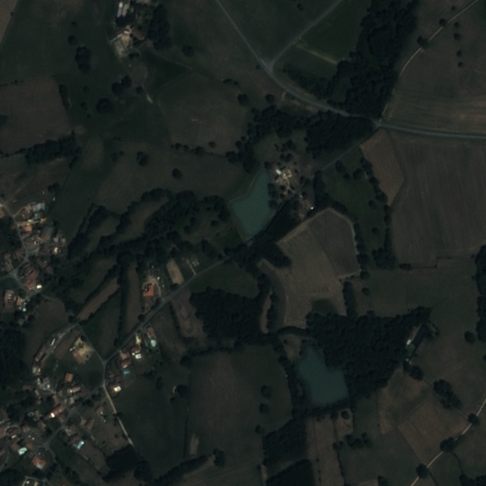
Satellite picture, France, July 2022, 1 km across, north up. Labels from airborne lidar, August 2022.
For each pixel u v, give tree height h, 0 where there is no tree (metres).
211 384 0
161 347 5
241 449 0
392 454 0
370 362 25
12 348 36
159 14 17
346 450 0
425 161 0
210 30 0
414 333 0
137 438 0
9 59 0
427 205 0
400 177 0
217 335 14
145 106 0
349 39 0
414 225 0
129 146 0
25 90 0
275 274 0
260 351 0
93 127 0
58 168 0
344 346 23
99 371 0
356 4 0
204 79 0
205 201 10
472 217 0
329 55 0
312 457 0
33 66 0
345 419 15
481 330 22
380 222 0
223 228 0
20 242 8
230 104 0
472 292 0
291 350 0
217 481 0
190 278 0
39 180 0
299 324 0
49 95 0
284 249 0
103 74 0
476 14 0
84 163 0
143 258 18
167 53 0
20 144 0
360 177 12
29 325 19
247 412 0
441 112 0
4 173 0
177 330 9
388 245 14
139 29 11
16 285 0
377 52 18
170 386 0
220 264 0
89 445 0
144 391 0
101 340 0
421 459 0
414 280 0
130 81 18
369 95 25
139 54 6
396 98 0
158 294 0
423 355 0
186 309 0
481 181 0
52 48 0
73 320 18
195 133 0
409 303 0
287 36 0
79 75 0
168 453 0
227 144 0
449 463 0
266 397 15
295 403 14
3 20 0
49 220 0
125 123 0
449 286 0
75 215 0
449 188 0
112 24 0
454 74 0
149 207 0
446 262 0
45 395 0
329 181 0
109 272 11
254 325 16
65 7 0
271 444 14
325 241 0
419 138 0
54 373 0
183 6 0
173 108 0
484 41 0
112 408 0
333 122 19
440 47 0
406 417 0
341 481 0
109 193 0
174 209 13
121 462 18
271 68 0
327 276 0
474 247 0
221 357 0
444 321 0
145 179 0
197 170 0
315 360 0
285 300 0
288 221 10
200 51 0
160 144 0
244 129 0
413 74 0
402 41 18
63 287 15
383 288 0
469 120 0
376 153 0
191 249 11
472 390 0
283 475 18
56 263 10
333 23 0
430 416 0
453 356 0
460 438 7
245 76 0
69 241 0
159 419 0
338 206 17
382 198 21
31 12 0
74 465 0
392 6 17
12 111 0
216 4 0
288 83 0
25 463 0
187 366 17
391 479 0
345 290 9
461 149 0
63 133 0
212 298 15
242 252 19
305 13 0
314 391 0
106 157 0
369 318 19
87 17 0
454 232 0
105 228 0
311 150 18
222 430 0
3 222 13
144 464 18
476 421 20
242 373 0
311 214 13
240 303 17
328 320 17
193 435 0
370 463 0
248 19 0
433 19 0
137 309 0
